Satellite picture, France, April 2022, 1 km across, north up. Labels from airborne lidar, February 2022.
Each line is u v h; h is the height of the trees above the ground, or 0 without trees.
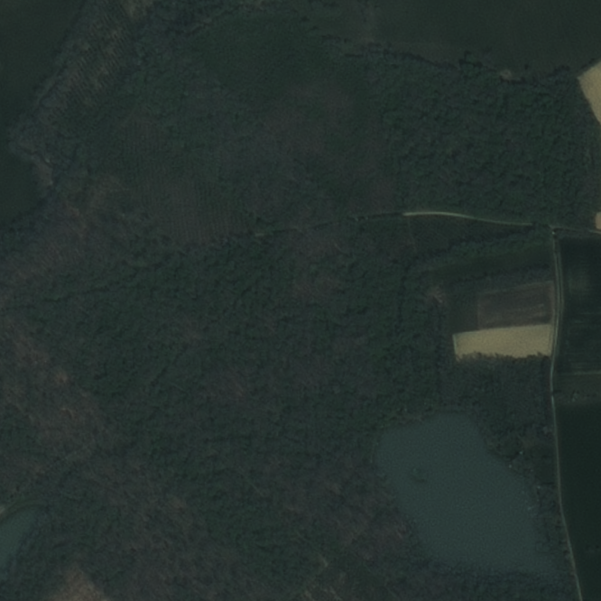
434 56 0
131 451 22
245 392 27
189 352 26
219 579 25
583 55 0
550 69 0
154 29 30
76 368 26
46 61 0
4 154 0
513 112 27
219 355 23
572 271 0
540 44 0
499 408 14
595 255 0
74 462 31
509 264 0
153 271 23
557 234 11
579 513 0
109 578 25
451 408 18
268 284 24
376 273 26
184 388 26
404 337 26
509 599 24
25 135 22
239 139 25
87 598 0
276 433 29
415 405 17
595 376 0
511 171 28
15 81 0
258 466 26
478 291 9
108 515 24
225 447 30
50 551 24
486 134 25
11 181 0
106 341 29
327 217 26
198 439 26
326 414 24
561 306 0
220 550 32
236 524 26
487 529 0
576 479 0
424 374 29
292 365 24
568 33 0
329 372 27
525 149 28
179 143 27
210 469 23
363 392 29
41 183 18
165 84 27
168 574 23
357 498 26
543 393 15
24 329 29
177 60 26
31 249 25
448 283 0
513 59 0
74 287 28
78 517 27
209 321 23
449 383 26
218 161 31
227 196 23
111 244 30
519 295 0
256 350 21
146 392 22
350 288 27
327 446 28
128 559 24
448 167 26
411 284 28
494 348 0
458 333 0
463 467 0
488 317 0
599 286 0
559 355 0
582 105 23
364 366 27
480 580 10
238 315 24
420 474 6
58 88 14
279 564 26
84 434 26
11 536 0
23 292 24
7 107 0
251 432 31
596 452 0
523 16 0
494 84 25
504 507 0
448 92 27
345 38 0
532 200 26
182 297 26
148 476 26
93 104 0
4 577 22
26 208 0
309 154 12
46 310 30
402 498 0
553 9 0
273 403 29
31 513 0
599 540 0
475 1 0
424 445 0
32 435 27
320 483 29
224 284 26
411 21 0
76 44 19
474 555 0
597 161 25
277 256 26
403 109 26
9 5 0
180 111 26
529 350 0
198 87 25
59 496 24
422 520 0
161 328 27
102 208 0
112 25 0
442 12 0
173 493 27
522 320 0
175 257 26
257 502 22
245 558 29
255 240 21
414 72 28
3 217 0
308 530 28
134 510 26
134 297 27
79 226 29
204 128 27
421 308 30
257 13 20
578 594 10
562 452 0
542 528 6
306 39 15
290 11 21
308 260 26
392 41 0
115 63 0
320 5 19
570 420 0
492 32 0
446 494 0
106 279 28
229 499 22
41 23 0
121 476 28
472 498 0
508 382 20
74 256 31
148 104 29
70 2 0
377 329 25
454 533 0
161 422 28
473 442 0
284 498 28
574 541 0
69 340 28
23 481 19
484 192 28
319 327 24
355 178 11
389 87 25
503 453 10
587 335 0
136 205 0
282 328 20
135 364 26
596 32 0
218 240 0
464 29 0
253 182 30
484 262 0
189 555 31
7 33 0
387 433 0
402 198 15
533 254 0
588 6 0
